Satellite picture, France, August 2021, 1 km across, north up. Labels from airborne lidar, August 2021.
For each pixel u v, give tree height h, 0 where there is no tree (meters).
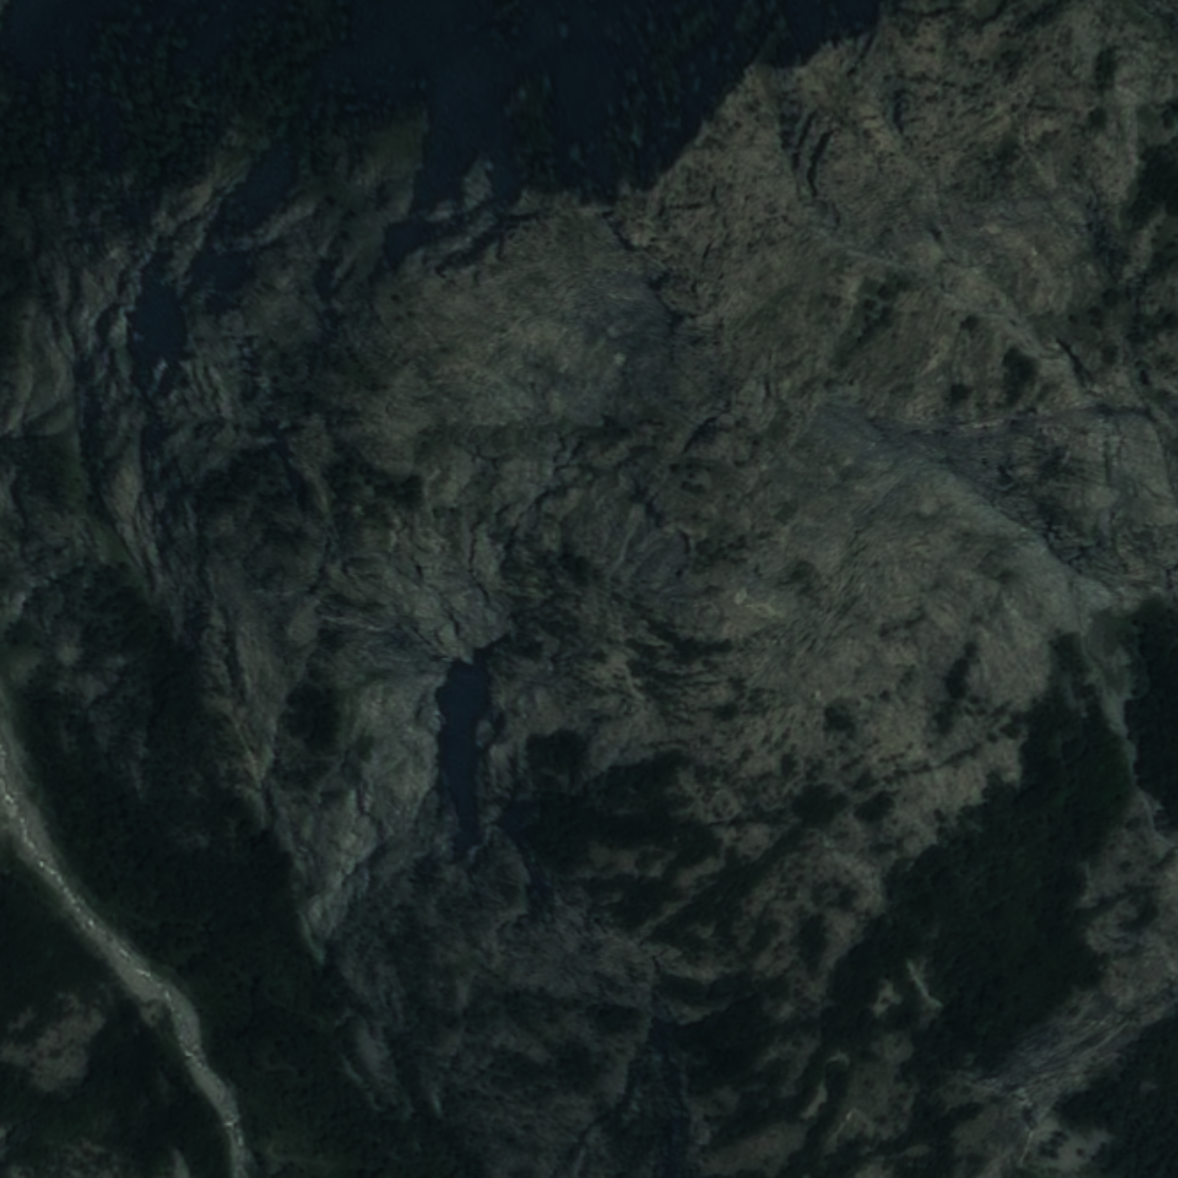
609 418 12
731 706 8
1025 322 0
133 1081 14
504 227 6
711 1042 18
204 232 0
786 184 0
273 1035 12
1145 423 0
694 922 9
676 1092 8
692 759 8
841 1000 16
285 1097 9
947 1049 11
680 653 6
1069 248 0
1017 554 0
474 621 0
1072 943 18
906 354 0
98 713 6
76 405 0
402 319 6
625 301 0
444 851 0
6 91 8
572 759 11
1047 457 8
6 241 9
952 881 16
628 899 9
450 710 0
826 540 0
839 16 6
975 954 15
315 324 0
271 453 7
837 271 0
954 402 8
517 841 7
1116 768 23
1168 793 18
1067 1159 0
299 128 6
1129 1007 7
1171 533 0
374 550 17
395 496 8
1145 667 18
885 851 14
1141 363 6
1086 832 21
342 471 15
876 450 0
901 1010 13
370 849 0
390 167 0
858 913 10
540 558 7
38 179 8
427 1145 10
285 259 7
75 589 7
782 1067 9
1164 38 8
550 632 7
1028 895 11
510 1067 6
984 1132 0
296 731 9
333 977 22
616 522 0
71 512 7
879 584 0
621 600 8
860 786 11
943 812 6
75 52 9
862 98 0
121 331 0
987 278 0
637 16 10
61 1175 10
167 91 18
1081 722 8
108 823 11
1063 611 0
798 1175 11
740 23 12
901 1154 14
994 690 0
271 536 8
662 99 10
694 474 11
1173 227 0
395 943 8
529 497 0
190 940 11
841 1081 13
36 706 11
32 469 9
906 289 6
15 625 7
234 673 10
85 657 10
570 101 5
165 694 27
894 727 0
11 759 0
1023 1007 23
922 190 0
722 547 6
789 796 8
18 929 14
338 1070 8
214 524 10
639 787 11
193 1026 0
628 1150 6
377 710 0
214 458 0
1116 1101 15
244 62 10
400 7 11
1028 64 10
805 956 11
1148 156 9
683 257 11
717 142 7
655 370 0
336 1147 10
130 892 7
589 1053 11
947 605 0
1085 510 0
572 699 6
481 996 6
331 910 0
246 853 12
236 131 6
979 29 8
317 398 7
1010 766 0
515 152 6
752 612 0
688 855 10
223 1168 12
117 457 7
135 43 15
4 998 8
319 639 6
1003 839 10
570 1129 8
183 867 13
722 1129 9
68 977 11
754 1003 15
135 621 13
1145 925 13
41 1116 15
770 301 0
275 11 8
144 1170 9
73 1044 6
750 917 6
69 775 6
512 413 0
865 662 0
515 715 6
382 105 9
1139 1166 12
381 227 0
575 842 13
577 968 6
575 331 0
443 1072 12
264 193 0
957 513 0
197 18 12
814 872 6
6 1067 14
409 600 0
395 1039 13
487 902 8
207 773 10
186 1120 14
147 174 18
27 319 10
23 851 0
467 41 11
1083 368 9
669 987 8
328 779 0
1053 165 0
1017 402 7
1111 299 8
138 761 8
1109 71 9
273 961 8
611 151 6
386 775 0
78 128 9
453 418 0
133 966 0
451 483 0
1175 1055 9
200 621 8
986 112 7
